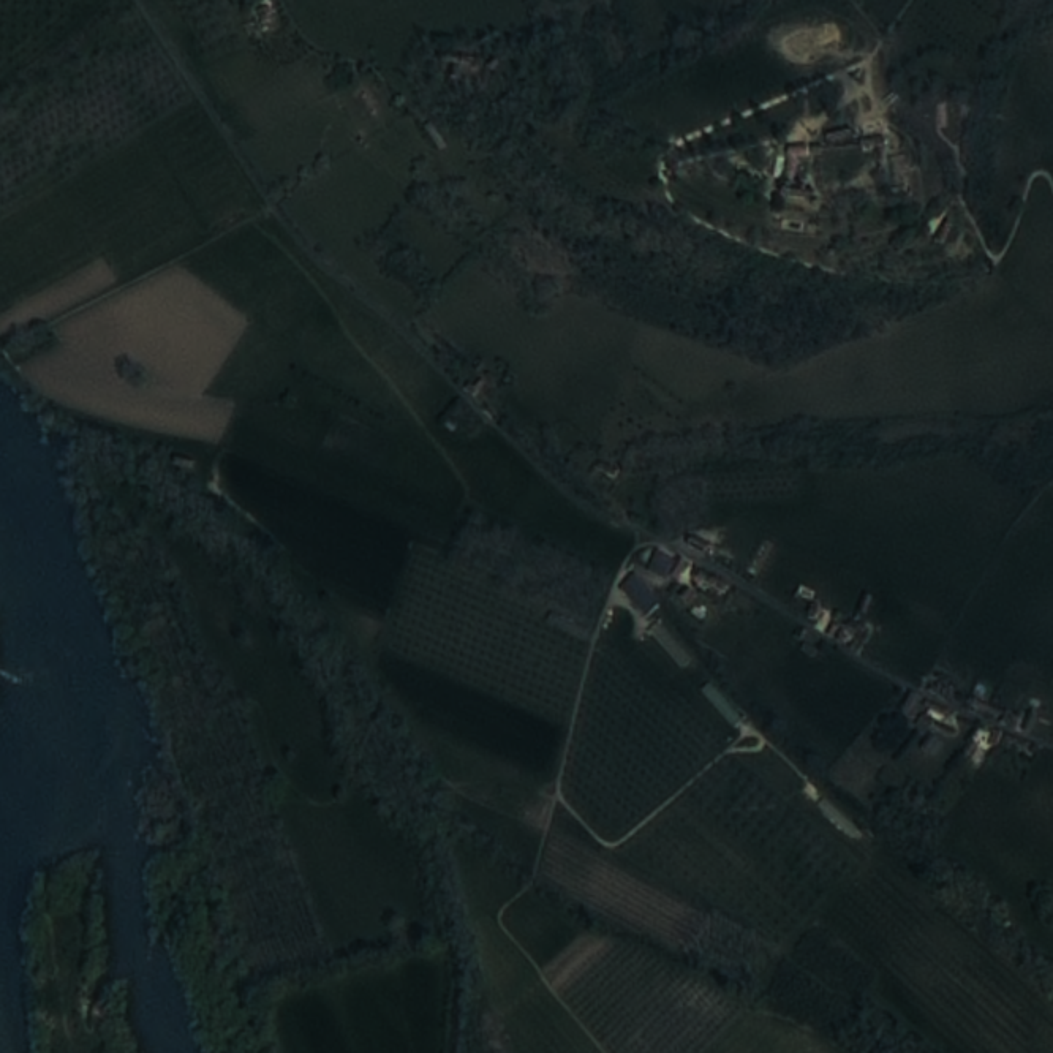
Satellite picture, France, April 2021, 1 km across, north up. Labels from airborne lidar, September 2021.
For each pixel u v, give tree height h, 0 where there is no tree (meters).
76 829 0
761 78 5
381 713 18
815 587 0
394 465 0
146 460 10
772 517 0
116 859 0
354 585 0
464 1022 11
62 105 13
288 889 21
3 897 0
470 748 0
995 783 0
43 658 0
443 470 0
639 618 0
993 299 0
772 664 0
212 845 17
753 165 14
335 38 0
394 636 6
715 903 8
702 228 8
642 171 0
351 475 0
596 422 0
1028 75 0
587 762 10
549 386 0
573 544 0
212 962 7
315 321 0
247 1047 17
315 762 0
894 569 0
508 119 10
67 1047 0
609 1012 9
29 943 34
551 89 13
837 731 0
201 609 0
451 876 29
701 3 0
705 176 14
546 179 8
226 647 0
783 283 20
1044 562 0
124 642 25
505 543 17
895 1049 22
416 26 0
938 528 0
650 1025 7
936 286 13
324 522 0
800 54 0
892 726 11
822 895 9
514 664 9
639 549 0
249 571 21
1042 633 0
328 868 0
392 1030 0
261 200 0
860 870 0
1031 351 0
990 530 0
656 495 11
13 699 0
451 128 6
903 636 0
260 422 0
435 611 6
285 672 0
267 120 0
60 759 0
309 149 0
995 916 20
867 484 0
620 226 7
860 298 9
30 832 0
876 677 0
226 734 21
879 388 0
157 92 13
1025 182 14
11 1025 0
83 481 28
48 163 8
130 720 0
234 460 0
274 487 0
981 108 20
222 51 8
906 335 0
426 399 0
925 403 0
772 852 9
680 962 6
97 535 21
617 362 0
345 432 0
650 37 0
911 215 13
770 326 22
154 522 26
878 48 0
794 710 0
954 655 0
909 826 8
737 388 12
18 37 7
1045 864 0
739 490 7
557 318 0
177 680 21
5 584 0
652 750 8
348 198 0
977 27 0
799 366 12
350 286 0
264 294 0
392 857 0
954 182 23
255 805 20
